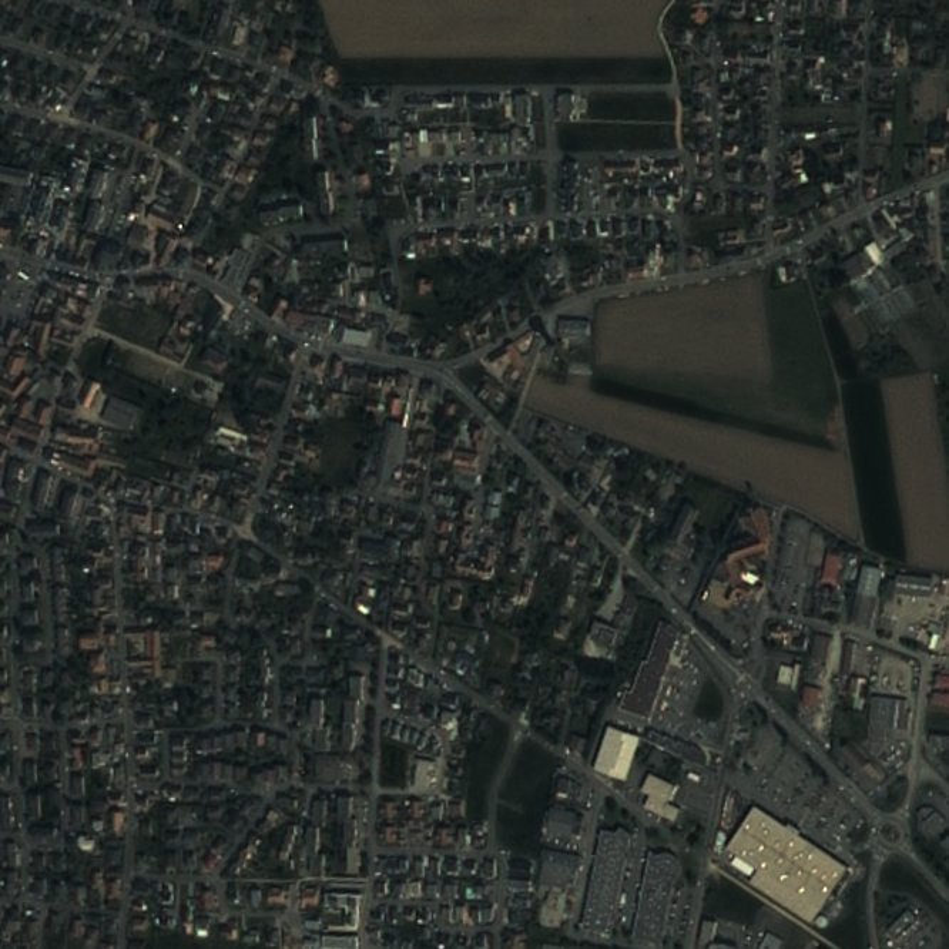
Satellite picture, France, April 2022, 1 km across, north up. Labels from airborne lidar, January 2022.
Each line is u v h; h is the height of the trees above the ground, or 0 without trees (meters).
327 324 0
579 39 0
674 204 0
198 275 0
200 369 0
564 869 0
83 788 0
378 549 0
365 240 0
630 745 0
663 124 0
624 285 0
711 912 0
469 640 0
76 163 0
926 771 0
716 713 0
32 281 0
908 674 0
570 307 0
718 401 0
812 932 0
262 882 0
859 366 0
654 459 0
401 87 0
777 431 0
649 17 0
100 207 0
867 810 0
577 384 0
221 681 0
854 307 0
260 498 0
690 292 0
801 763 0
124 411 0
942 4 6
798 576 0
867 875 0
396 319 0
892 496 0
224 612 0
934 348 0
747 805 0
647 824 0
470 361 0
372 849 0
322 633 0
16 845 0
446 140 0
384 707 0
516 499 8
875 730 0
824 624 0
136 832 0
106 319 0
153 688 6
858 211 0
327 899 0
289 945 0
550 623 17
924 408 0
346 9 0
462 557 0
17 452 0
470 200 0
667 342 0
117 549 0
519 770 0
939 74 0
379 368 0
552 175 0
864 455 0
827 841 0
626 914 0
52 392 0
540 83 0
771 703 0
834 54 0
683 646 0
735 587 0
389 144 0
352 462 0
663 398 0
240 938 0
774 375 0
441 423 14
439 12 0
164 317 0
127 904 0
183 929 0
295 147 18
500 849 0
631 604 0
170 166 6
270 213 0
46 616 0
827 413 0
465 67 0
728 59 0
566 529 6
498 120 0
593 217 0
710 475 0
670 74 0
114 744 0
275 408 14
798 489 0
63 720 15
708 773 0
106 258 0
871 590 0
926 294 0
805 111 0
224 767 0
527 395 0
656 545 12
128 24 0
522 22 0
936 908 0
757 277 0
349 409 0
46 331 0
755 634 0
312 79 12
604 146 0
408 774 0
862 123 0
